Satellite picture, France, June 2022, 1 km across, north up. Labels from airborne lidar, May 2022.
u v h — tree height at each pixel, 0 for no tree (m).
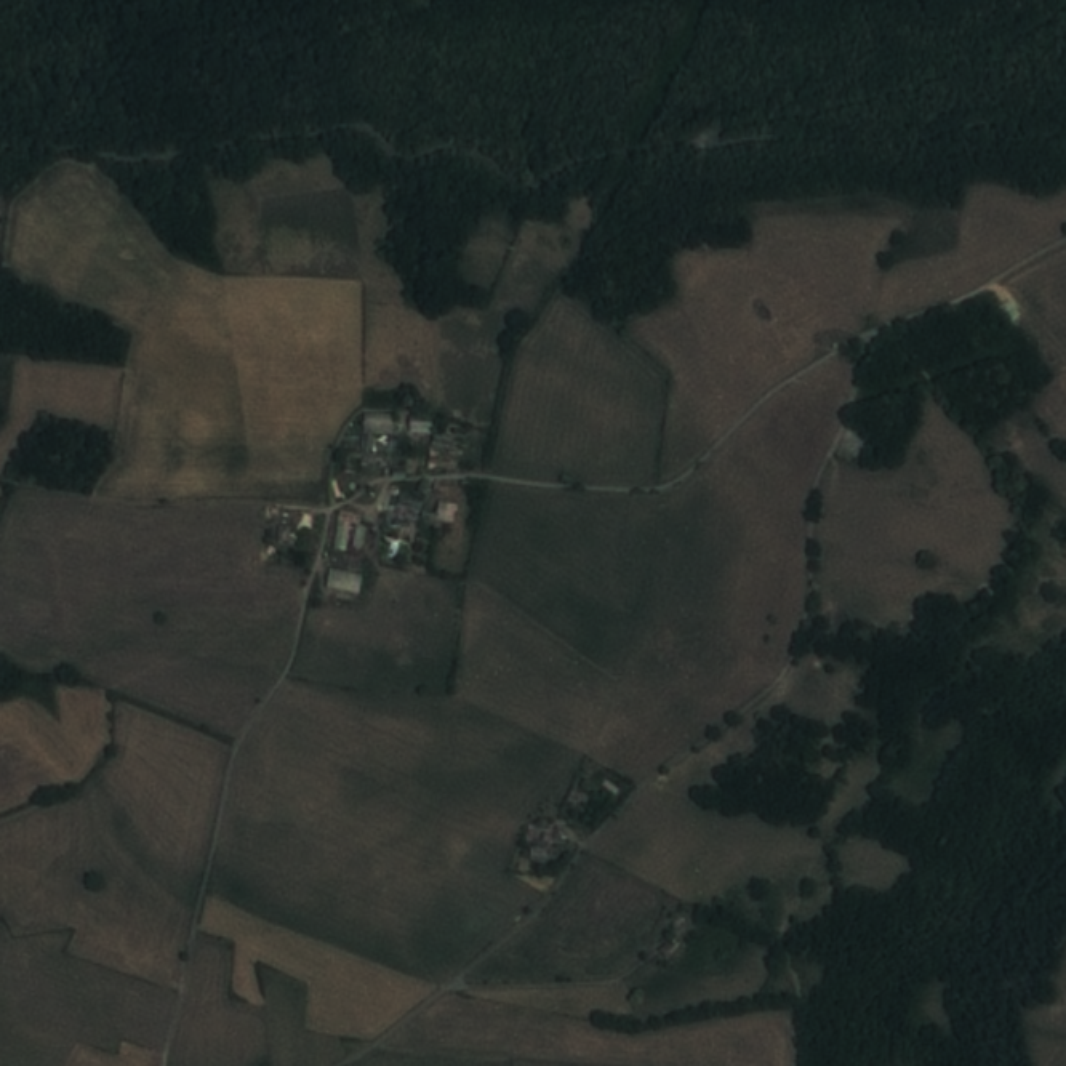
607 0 22
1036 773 12
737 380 0
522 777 0
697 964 0
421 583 0
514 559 0
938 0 23
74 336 7
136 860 0
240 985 0
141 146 16
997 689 19
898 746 19
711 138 0
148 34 16
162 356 0
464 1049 0
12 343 7
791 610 0
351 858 0
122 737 0
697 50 9
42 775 0
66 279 0
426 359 0
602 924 0
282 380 0
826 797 19
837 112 11
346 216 0
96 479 12
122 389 0
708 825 0
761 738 6
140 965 0
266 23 23
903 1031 26
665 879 0
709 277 0
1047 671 16
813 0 20
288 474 0
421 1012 0
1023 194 11
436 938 0
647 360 0
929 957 18
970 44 13
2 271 11
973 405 18
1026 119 17
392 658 0
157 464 0
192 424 0
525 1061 0
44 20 16
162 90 20
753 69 11
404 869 0
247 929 0
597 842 0
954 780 19
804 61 10
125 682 0
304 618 0
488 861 0
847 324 0
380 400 0
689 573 0
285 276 0
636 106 9
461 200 13
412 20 18
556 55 13
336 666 0
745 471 0
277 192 0
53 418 12
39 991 0
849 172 12
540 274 0
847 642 13
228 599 0
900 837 14
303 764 0
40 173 9
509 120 18
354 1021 0
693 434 0
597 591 0
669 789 0
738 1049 0
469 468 7
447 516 0
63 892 0
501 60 13
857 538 0
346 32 15
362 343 0
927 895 6
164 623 10
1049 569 0
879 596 0
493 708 0
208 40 14
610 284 16
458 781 0
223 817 0
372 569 0
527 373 0
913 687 25
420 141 14
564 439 0
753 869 0
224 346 0
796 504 0
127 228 0
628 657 0
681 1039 0
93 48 15
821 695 0
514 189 11
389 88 12
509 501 0
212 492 0
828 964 14
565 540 0
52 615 0
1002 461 13
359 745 0
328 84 15
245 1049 0
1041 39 16
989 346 9
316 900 0
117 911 0
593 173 12
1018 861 17
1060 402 0
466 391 0
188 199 15
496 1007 0
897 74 14
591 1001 0
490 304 10
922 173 16
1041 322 0
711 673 0
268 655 0
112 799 0
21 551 0
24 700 0
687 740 0
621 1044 0
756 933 17
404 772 0
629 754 0
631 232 13
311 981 0
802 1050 14
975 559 0
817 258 0
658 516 0
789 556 0
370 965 0
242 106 17
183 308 0
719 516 0
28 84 15
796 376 0
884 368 13
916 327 16
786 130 14
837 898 12
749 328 0
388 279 0
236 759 0
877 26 16
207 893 0
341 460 11
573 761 0
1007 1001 14
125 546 0
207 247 14
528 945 0
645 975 0
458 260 16
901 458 17
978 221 0
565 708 0
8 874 0
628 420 0
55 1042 0
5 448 0
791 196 13
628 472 0
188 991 0
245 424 0
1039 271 0
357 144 10
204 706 0
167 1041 0
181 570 0
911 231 0
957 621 21
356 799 0
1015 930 20
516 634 0
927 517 0
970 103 11
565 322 0
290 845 0
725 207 15
